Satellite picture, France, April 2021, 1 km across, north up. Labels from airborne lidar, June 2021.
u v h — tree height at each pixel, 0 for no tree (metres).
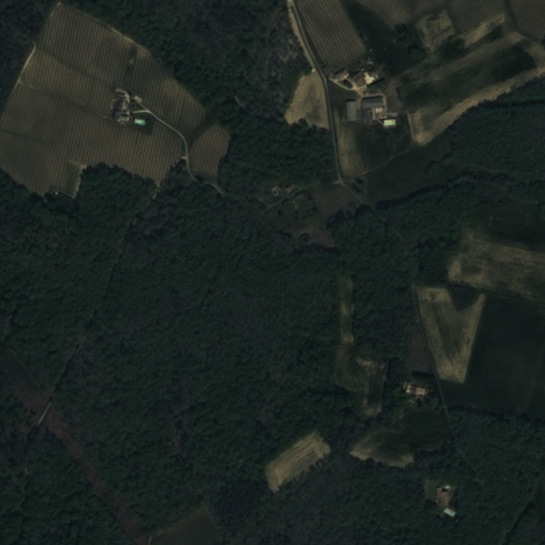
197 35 21
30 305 24
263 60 19
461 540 26
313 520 21
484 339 0
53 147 0
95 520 18
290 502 17
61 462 24
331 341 12
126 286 23
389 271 21
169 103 0
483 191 0
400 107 0
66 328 22
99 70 0
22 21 20
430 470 15
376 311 21
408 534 21
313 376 19
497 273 0
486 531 21
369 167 0
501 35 0
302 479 15
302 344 6
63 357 17
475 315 0
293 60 13
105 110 0
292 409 15
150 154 0
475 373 0
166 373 22
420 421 0
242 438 19
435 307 0
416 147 0
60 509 26
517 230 0
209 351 23
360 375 0
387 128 0
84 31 0
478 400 0
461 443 21
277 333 19
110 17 20
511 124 22
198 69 21
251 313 16
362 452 0
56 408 11
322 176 21
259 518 20
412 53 14
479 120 20
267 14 19
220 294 25
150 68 0
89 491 20
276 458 15
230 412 20
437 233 20
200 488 13
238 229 20
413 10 0
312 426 19
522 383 0
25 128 0
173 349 22
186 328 23
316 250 18
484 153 14
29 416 16
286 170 21
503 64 0
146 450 25
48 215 25
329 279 23
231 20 22
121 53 0
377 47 0
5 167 0
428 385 0
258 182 21
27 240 20
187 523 0
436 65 0
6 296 17
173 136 0
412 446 0
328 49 0
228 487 14
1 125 0
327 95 0
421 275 18
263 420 17
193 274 21
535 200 13
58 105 0
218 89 18
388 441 0
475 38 0
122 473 20
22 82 0
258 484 8
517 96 18
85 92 0
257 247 20
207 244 22
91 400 19
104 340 25
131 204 21
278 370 13
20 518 28
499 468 22
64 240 15
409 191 0
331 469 12
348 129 0
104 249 19
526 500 23
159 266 24
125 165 0
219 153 0
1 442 21
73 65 0
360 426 19
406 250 21
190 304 19
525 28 0
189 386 20
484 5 0
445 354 0
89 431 19
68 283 23
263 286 26
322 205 0
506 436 20
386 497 23
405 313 19
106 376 19
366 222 23
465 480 22
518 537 26
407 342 10
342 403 25
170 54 15
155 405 20
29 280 21
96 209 23
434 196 17
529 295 0
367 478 23
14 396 17
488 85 0
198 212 16
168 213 8
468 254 0
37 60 0
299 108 0
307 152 20
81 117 0
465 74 0
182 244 23
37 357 17
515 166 20
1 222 19
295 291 22
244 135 20
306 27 0
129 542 13
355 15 0
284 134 25
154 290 23
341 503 23
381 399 0
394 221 22
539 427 14
